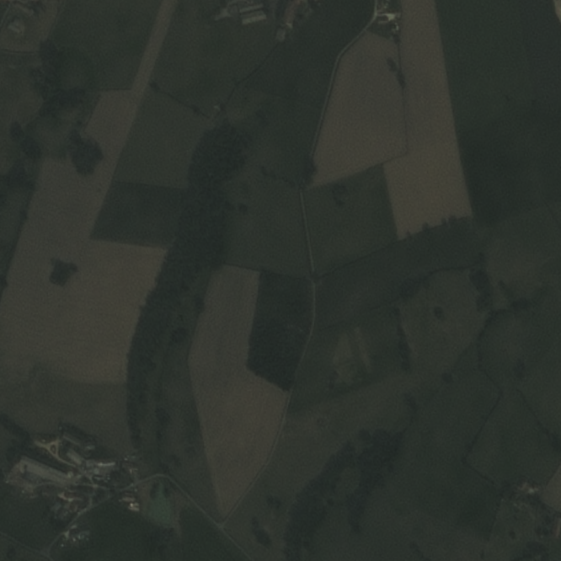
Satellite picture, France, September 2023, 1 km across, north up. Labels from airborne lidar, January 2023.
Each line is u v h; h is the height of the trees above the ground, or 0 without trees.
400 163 0
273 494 0
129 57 0
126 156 0
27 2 0
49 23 0
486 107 0
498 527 0
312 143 0
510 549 0
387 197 0
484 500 0
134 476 0
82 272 0
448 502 0
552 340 0
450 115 0
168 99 0
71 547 0
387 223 0
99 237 0
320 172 0
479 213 0
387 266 0
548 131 0
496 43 0
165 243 0
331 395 0
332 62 0
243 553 0
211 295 0
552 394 0
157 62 0
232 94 0
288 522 0
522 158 0
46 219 0
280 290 0
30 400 0
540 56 0
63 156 0
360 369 0
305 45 0
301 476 0
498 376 0
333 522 0
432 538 0
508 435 0
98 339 0
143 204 0
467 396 0
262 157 0
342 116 0
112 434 0
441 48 0
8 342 0
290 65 0
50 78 18
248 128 0
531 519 0
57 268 15
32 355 0
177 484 0
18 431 14
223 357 0
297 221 0
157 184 0
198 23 0
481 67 0
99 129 0
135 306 0
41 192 0
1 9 0
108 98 0
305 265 0
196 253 19
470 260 0
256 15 0
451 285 0
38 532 0
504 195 0
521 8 0
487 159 0
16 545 0
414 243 0
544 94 0
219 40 0
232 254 0
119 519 0
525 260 0
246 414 0
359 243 0
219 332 0
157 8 0
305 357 0
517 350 0
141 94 0
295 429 0
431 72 0
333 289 0
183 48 0
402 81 13
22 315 0
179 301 21
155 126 0
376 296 0
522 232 0
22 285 0
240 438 0
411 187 0
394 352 0
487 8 0
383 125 0
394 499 0
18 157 0
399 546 0
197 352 0
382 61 0
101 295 0
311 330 0
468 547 0
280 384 7
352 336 0
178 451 0
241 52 0
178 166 0
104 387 0
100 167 0
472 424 0
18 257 0
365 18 0
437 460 0
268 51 0
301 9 0
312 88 0
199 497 0
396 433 0
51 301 0
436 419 0
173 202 0
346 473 0
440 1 0
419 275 0
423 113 0
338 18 0
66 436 0
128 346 0
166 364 0
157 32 0
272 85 0
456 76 0
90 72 0
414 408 29
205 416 0
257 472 0
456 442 0
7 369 0
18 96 0
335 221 0
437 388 0
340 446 0
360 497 6
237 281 0
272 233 0
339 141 0
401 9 0
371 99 0
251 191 0
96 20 0
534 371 0
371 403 0
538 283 0
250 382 0
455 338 0
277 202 0
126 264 0
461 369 0
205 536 0
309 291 0
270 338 7
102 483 9
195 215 23
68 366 0
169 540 8
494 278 0
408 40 0
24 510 0
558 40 0
